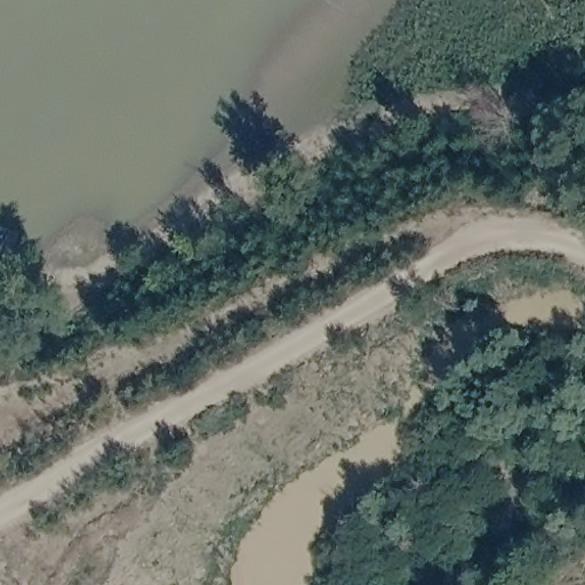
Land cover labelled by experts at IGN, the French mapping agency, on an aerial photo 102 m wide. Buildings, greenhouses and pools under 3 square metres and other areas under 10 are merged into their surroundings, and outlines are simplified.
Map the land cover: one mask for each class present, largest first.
<instances>
[{"label":"deciduous trees","instance_id":"1","mask_svg":"<svg viewBox=\"0 0 585 585\"><path fill-rule=\"evenodd\" d=\"M482 121L473 119L466 110H450L441 105L432 110L430 119H402L398 133L377 142L372 155L345 151L336 142H331L324 158H304L295 149L290 151L283 165L281 160L272 158L267 165H261L254 174L256 181L263 183V197H258L256 203H247L235 192L231 197H219V203L215 206V217L224 219V231H210L199 240L178 235L174 240L169 256L160 263H153L149 256H142L139 247H130L128 251L114 254L112 270L119 272L117 281L103 299V304L91 313L98 324H107V345L142 347L149 345L155 336L183 327H190L192 331H208L213 322L206 318L208 308H219L231 297L247 295L258 281H265L277 274L286 277V281L306 279L311 277L308 265L313 256L327 254L336 261L352 245L384 242L382 231L409 219H423L425 215L443 210L450 203H489L494 208H516L528 190H539L542 197H548L553 203L562 199V217L558 219L560 226L580 229L585 233V91L571 89L567 96H558L553 103L537 105V112L532 117V130L510 128V133L503 137L480 130ZM430 247L427 238L420 235L414 245V254L384 251L379 258L363 256L336 281V286H329L318 293L299 290L290 302H283L279 306L277 320H249L238 331H224L215 336L213 345H208L203 352H197L194 359L187 366H183L178 375H151L142 382V386H130L126 391H119L117 384H105L101 379V393L94 402H89V407L75 400L73 404L55 409L50 414L37 411L27 420H18V441L9 446L0 443V491L16 487L21 480L39 475L53 462L64 457L78 441L91 436L96 430L107 427L112 423L110 398L114 393L126 409L133 411H146V407L153 402L192 391L208 372L226 368L231 363H240L258 345L283 338L293 329L308 322L311 315L322 313L324 308L340 306L359 288L379 283L388 267H404L423 258ZM75 315L71 308H66L62 299L59 283H53V277L43 274V254L34 247L14 254V258H0V375L16 372L18 379H32L37 375L62 368L66 375L75 379V384H82L85 377L91 375L87 356L101 347L87 338L89 331L71 334L66 329V322ZM459 286L450 281L443 272L439 277H432L430 281H423L420 286H411L404 297L395 299V311L391 315H384L382 320L386 329H395L400 334H409L414 327H418L420 338L425 340L436 336L434 327L443 324L446 313L452 311L455 293ZM329 345L336 352L363 347V336L356 327H329ZM398 448L404 457V466L379 478L370 487V491L361 496L356 507L338 521L331 539L322 544L320 553L311 558L313 574L308 576L306 585H407L414 578V574L425 569L427 564L441 569L446 574L448 585H544L546 578L553 576V571L564 562H578L585 569V507H574V516L567 519L564 512H539V505L558 496L553 487L558 478H585V336L574 334L569 343L564 338H551L537 345L528 338H519V331L491 329L473 343V352L468 354V359H462L459 363L446 370L443 379H439V391H427L423 395V400L409 411V416L398 425ZM505 498H510L514 505H523L526 516L530 519L528 537H523L519 546H514L512 551H500L496 560L478 569L471 555L475 539L487 532L484 510ZM295 377L288 366L270 375L267 382V393H254L256 402L263 407L281 409L286 404V393L290 391ZM249 407L240 391H231L222 404L203 407L199 414H194L187 423L178 427L187 434V439L174 443L165 452L155 450V462H149L139 448L121 446L117 441L105 443L103 455L91 464L82 466L73 482L62 480V489L43 503L46 510L41 516H32L23 523L25 537L37 539L69 512L89 507L98 491L123 489L126 494H133L135 489H142L144 496H160L167 482L178 480L183 468L190 466L197 443L215 434L231 432L235 420L247 418Z\"/></svg>","mask_w":585,"mask_h":585},{"label":"water","instance_id":"2","mask_svg":"<svg viewBox=\"0 0 585 585\"><path fill-rule=\"evenodd\" d=\"M395 0H0V258H14V254L34 247L39 242L55 245L62 238V233L80 217L98 219L107 231L119 222L135 226L139 217H144L146 213H155L162 219L176 199H197L199 192H203L208 185L215 187L231 174H238L240 169L245 174H254L261 165H267L272 158L281 160L283 165L290 151L295 149V142L302 135L311 133L318 126H324L331 135L334 130H338L336 110H340L345 94L352 55L359 50L361 41L370 34L372 27L382 25ZM436 336L425 340L420 343L423 370L416 382L423 395L427 391H439V379H443L446 370L459 363L462 359H468V354L473 352V343L491 329L519 331V338H528L537 345L551 338H564L569 343L574 334L585 336V299L580 295H574L571 290L537 288L530 297L514 299L503 308H498L494 297L484 295L475 311H452L446 313L443 324L434 327ZM404 466V457L398 448V425L384 420L379 425L368 427V432H363L361 441L354 448L336 450L329 459L315 466L313 471H306L299 480L286 484L283 491L274 494L272 503L265 507L261 519L242 537L238 548V562L231 571L233 585H306L308 576L313 574L311 558L320 553L322 544L331 539L338 521L356 507L361 496L370 491V487L379 478Z\"/></svg>","mask_w":585,"mask_h":585},{"label":"herbaceous vegetation","instance_id":"3","mask_svg":"<svg viewBox=\"0 0 585 585\"><path fill-rule=\"evenodd\" d=\"M498 210L505 217H519L523 210L544 213L558 219L562 217V199L553 203L548 197H542L539 190H528L516 208H494L489 203H450L443 210L425 215L423 219H409L382 231L384 242L352 245L336 261L327 254L313 256L308 265L311 277L306 279L286 281V277L277 274L265 281H258L247 295L231 297L219 308H208L206 318L213 322L208 331H192L190 327H183L155 336L149 345L142 347L107 345V324H98L91 313L82 306V311L75 315L66 322V329L71 334L89 331L87 338L101 347L87 356L91 375L85 377L82 384H75V379L66 375L62 368L37 375L32 379H18L16 372L0 375V443L9 446L18 441V420H27L37 411L50 414L55 409L73 404L75 400L89 407V402H94L101 393V379L105 384H117L119 391H126L130 386H142V382L151 375H178L183 366H187L194 359L197 352H203L208 345H213L215 336L224 331H238L249 320H277L279 306L283 302H290L299 290L318 293L329 286H336V281L363 256L379 258L384 251L414 254V245L420 235L427 238L430 247L446 242L459 229L487 219ZM41 384H50L48 395H39L32 400L18 395L23 386ZM363 336V347L336 352L329 345L288 366L295 377L290 391L286 393V404L281 409L263 407L256 402L254 393H267V382L258 384L256 388L240 391L249 407L247 418L235 420L231 432L215 434L197 443L190 466L183 468L178 480L167 482L160 496H144L142 489H135L133 494H126L123 489L98 491L89 507L69 512L37 539L25 537L23 523H14L0 530V585H201V578L206 576L208 553L213 551V542L226 523V514L238 503V498H229L231 491L254 484V480L267 473V462L272 457L288 462L290 471H297V466H302L304 462H311L315 466L329 459L336 450L354 448L361 441L363 432H368V427L379 425L384 420L382 411L388 407H402L409 411L423 400V395L416 382L423 370L420 343L425 340L420 338L418 327H414L409 334H400L395 329H386L382 320L356 327ZM112 423L126 420L133 411L126 409L114 393L110 398ZM187 439V434L178 427L158 423L155 436L139 448L149 462H155V450L165 452L174 443ZM558 496L539 505V512H564L567 519L574 516V507H585V478H558L553 487ZM487 532L475 539L471 555L478 569L496 560L500 551H512L514 546H519L523 537H528L530 519L526 516L523 505H514L510 498H505L484 510ZM544 585H585V569L578 562H564L553 571V576L546 578ZM407 585H448L446 574L441 569L427 564L425 569L414 574V578Z\"/></svg>","mask_w":585,"mask_h":585},{"label":"brushwood","instance_id":"4","mask_svg":"<svg viewBox=\"0 0 585 585\"><path fill-rule=\"evenodd\" d=\"M377 73L391 80L393 89L409 91L414 98L418 94L480 87L487 82L496 89H503L505 80L516 89L521 87L530 91H539L553 82H569L571 89L585 91V0H395L382 25L372 27L370 34L361 41L359 50L352 55L345 94L359 103L377 101ZM450 281L459 286L455 293L452 311H475L484 295L494 297L498 308H503L514 299L530 297L537 288L571 290L574 295H580L585 299V263L574 265L562 254L537 249L489 251L482 256L459 261L455 267H448L443 272ZM50 384H41L23 386L18 395L32 400L39 395H48ZM409 416V411L402 407H388L382 411L384 420L398 425ZM267 473L254 480V484L231 491L229 498H238V503L226 514V523L213 542V551L208 553L206 576L201 578V585H233L231 571L238 562V548L242 537L261 519L265 507L272 503L274 494L283 491L286 484L299 480L306 471H313L315 466L311 462H304L302 466H297V471H290L288 462L272 457L267 462Z\"/></svg>","mask_w":585,"mask_h":585},{"label":"bare soil","instance_id":"5","mask_svg":"<svg viewBox=\"0 0 585 585\"><path fill-rule=\"evenodd\" d=\"M571 89L569 82H553L539 91H530L521 87L516 89L505 80L503 89H496L487 82L480 87L418 94L414 98L409 91L393 89L391 80L377 73V101L359 103L345 94L340 110H336L338 130H334L331 135L324 126H318L311 133L302 135L295 142V149L304 158H324L331 142H336L345 151L372 155L377 142L398 133L402 119H430L432 110L441 105L450 110H466L473 119L482 121L480 130L503 137L510 133V128L532 130V117L537 112V105L553 103L558 96H567ZM235 192L247 203H256L258 197H263V183L256 181L254 174H245L240 169L238 174H231L215 187L208 185L203 192H199L197 199H176L162 219L155 213H146L144 217H139L135 226L119 222L107 231L98 219L80 217L62 233V238L55 245L39 242L34 247L43 254V274L53 277V283H59L62 299L66 308H71L75 315L82 311V306L91 313L103 304V299L117 281L119 272L112 270L114 254L128 251L130 247H139L142 256H149L153 263H160L169 256L174 240L178 235L199 240L210 231H224V219L215 217V206L219 203V197H231Z\"/></svg>","mask_w":585,"mask_h":585},{"label":"pervious surface","instance_id":"6","mask_svg":"<svg viewBox=\"0 0 585 585\"><path fill-rule=\"evenodd\" d=\"M537 249L562 254L574 265L585 263V233L580 229L560 226L558 219L544 213L523 210L519 217H505L498 210L487 219L459 229L446 242L430 247L423 258L404 267H388L379 283L359 288L340 306L324 308L322 313L311 315L308 322L293 329L283 338L258 345L240 363H231L226 368L208 372L192 391L153 402L146 407V411H133L126 420L112 423L107 427L96 430L91 436L78 441L64 457L53 462L39 475L21 480L16 487L0 491V530L14 523H23L32 516H41L46 510L43 503L62 489V480L73 482L82 466L91 464L103 455L105 443L117 441L121 446L139 448L155 436L158 423L178 427L187 423L194 414H199L203 407L222 404L231 391H240L256 388L258 384L267 382L270 375L288 366L329 345V327H356L382 320L384 315H391L395 311V299L404 297L411 286H420L423 281H430L432 277H439L443 272L448 267H455L459 261L482 256L489 251Z\"/></svg>","mask_w":585,"mask_h":585}]
</instances>
